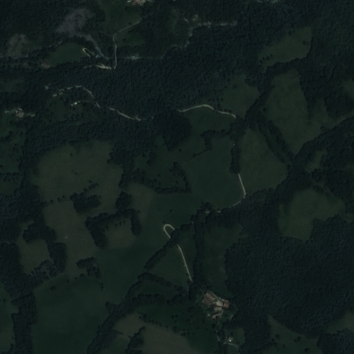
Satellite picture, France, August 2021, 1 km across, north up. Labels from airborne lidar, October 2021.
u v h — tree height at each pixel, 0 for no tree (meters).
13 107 6
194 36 15
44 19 12
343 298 14
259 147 0
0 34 20
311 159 15
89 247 0
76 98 7
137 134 7
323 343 19
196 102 11
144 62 9
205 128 0
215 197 0
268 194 11
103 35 10
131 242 0
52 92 14
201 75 12
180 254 0
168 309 0
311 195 0
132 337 11
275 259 10
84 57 6
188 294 13
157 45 15
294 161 10
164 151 0
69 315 0
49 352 0
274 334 0
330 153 12
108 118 7
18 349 14
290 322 19
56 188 0
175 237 18
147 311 0
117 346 0
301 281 15
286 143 13
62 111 0
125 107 7
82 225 0
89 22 10
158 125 15
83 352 0
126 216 17
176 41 7
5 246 16
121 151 17
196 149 0
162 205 0
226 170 0
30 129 8
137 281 0
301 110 0
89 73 10
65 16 7
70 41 10
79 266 15
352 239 15
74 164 0
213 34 8
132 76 11
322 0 14
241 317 25
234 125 11
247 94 0
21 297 8
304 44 7
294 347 0
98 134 9
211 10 10
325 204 0
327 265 17
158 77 18
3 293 0
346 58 15
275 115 0
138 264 0
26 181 16
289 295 12
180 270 0
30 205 19
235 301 15
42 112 11
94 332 0
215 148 0
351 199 11
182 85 14
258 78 10
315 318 13
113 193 0
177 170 10
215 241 0
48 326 0
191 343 0
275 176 0
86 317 0
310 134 0
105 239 21
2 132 0
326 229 12
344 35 7
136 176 12
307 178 16
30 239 18
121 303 8
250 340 17
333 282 18
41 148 7
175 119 19
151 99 8
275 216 16
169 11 7
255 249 10
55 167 0
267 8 13
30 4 20
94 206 9
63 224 0
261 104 15
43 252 0
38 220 18
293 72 0
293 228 0
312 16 13
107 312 0
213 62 19
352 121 9
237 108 0
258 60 8
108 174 0
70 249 0
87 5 10
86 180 0
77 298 0
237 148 11
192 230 0
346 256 14
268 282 14
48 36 14
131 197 11
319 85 16
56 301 0
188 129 15
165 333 0
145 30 7
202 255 17
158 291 0
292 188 20
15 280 22
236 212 17
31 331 18
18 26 17
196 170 0
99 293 0
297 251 11
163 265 0
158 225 0
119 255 0
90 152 0
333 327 0
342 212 0
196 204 0
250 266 12
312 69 10
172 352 0
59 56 0
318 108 0
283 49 0
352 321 0
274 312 10
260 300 9
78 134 8
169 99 15
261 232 13
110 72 14
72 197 13
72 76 9
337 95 18
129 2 0
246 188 0
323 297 23
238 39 14
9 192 0
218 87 12
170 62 24
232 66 10
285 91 0
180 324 0
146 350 0
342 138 17
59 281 0
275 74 17
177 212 0
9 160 0
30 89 8
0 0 20
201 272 18
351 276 16
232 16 16
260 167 0
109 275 0
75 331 0
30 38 14
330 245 13
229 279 10
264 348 17
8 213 17
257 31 16
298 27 8
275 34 10
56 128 9
